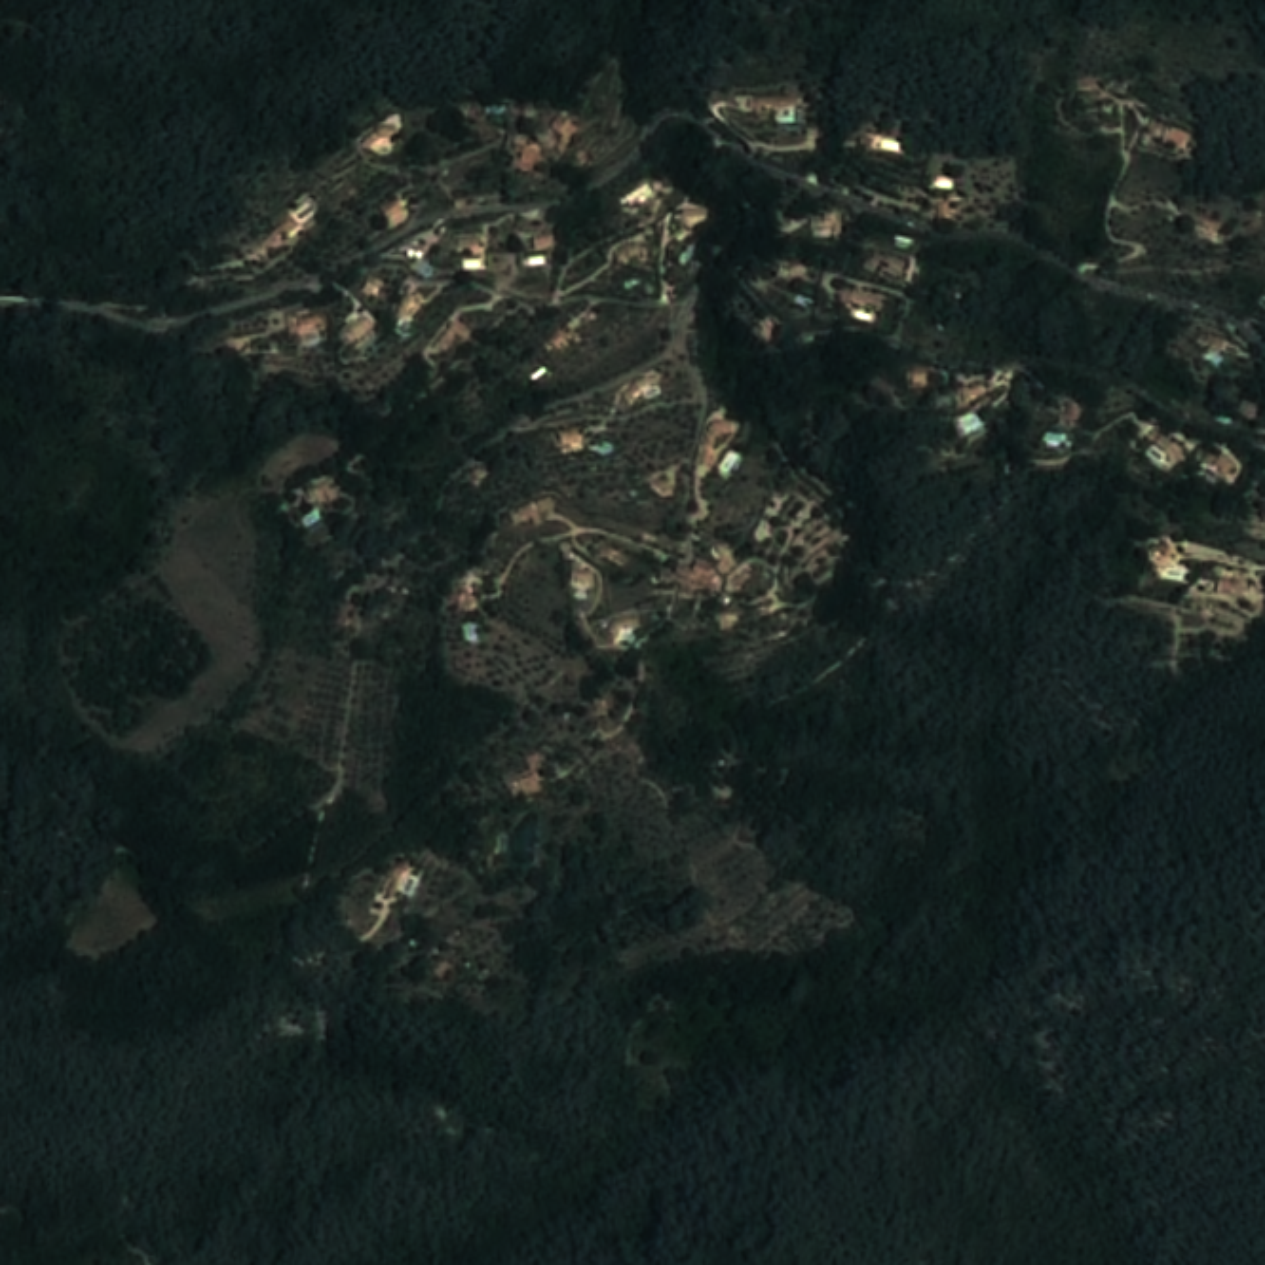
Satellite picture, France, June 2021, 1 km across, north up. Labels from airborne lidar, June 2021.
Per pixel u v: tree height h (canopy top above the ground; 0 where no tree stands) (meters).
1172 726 15
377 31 20
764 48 21
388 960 17
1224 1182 12
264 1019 18
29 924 24
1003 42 14
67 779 22
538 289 0
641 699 7
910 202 6
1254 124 17
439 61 19
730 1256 14
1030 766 19
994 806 16
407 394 11
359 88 19
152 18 20
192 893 10
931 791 25
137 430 7
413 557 13
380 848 11
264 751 6
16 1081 15
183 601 0
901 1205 21
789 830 20
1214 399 19
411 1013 17
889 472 15
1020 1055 11
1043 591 22
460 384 10
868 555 11
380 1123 16
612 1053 18
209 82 17
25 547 7
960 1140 24
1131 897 18
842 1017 13
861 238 10
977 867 17
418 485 11
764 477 6
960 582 7
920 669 21
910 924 25
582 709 8
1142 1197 16
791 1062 16
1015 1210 10
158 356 12
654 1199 10
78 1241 20
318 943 18
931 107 18
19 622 14
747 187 23
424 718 6
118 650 9
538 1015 23
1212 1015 14
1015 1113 8
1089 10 13
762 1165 20
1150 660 16
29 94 7
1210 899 16
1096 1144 11
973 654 17
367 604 13
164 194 22
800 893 0
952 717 16
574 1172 12
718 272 13
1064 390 12
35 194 12
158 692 7
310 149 13
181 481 7
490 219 6
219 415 20
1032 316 16
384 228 12
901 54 15
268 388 12
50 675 10
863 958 17
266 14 15
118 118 11
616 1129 13
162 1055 18
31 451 10
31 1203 21
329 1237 16
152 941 15
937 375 9
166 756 7
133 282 10
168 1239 19
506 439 7
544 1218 12
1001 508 16
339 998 11
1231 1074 11
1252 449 8
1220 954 15
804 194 10
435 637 7
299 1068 13
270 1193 10
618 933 8
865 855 17
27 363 19
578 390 6
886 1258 16
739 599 9
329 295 11
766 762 11
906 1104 17
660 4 18
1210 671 12
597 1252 16
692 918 20
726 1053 19
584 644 7
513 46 18
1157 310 11
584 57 8
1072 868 23
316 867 11
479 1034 23
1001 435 22
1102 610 17
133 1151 15
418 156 11
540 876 10
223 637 0
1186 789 17
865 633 12
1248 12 8
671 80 16
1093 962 19
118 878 0
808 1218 21
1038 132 14
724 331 8
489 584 6
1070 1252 15
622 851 10
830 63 14
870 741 19
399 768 7
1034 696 15
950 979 14
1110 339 17
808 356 15
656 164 24
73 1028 12
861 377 10
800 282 11
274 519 7
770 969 14
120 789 14
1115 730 15
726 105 0
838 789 16
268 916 6
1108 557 9
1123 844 23
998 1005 13
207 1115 17
